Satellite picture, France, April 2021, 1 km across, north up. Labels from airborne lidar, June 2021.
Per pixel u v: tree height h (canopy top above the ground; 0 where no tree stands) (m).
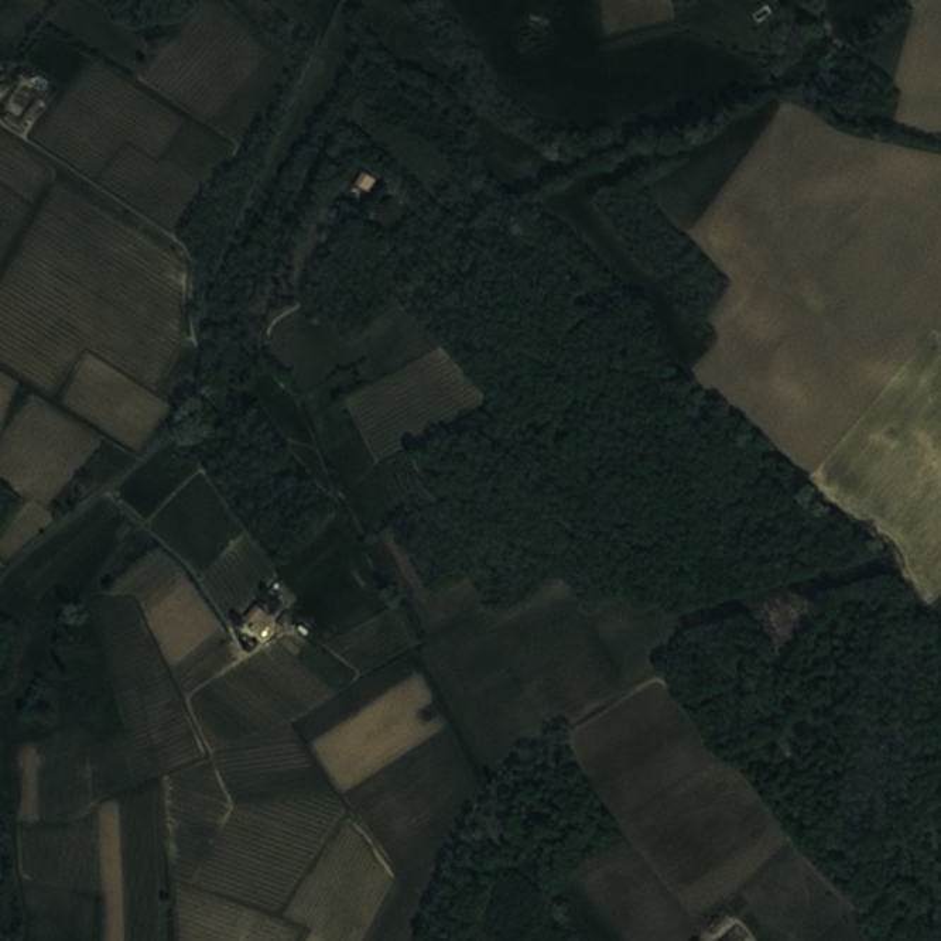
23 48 6
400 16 0
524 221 31
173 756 0
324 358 0
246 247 22
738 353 0
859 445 0
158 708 0
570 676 0
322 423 0
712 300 17
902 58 0
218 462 19
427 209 21
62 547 0
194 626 0
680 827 0
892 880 21
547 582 14
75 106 0
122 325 0
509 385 21
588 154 22
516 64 0
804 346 0
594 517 19
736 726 20
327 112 13
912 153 0
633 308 23
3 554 0
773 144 0
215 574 0
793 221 0
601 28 0
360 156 18
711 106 0
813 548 25
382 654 0
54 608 0
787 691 29
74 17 0
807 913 0
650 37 0
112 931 0
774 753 17
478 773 0
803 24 14
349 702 0
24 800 0
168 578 0
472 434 25
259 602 8
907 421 0
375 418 0
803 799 19
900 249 0
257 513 18
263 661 0
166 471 0
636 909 0
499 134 0
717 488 26
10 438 0
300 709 0
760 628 22
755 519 22
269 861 0
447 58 20
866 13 0
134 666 0
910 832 24
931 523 0
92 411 0
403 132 7
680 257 20
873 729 24
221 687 0
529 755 20
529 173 0
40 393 0
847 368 0
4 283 0
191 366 0
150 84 0
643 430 23
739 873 0
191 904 0
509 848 17
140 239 0
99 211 0
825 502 28
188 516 0
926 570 0
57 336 0
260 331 11
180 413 26
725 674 27
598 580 16
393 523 17
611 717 0
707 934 0
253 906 0
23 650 10
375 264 17
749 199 0
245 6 0
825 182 0
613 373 18
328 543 0
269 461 19
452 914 20
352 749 0
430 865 0
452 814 0
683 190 0
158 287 0
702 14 0
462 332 21
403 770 0
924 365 0
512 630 0
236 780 0
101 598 0
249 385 25
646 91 0
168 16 26
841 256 0
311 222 20
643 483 24
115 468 0
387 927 0
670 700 0
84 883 0
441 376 0
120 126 0
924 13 0
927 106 0
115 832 0
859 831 21
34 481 0
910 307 0
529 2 0
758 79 0
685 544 22
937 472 0
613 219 22
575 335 17
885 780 21
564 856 23
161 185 0
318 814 0
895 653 22
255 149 17
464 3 0
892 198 0
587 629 0
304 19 0
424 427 0
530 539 18
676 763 0
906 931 22
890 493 0
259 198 20
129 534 0
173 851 0
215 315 14
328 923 0
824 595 24
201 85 0
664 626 0
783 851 0
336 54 0
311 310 19
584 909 0
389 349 0
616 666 0
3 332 0
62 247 0
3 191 0
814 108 18
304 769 0
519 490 20
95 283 0
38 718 18
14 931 8
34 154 0
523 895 11
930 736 22
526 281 23
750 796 0
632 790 0
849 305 0
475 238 21
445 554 20
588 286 16
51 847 0
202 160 0
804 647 20
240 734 0
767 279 0
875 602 17
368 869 0
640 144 27
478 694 0
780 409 0
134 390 0
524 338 22
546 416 24
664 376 23
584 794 16
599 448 23
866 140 0
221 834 0
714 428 27
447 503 21
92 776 0
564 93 0
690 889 0
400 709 0
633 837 0
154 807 0
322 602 0
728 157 0
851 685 24
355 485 0
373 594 0
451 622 0
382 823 0
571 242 26
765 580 23
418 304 13
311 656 0
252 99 0
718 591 23
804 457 0
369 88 19
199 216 21
